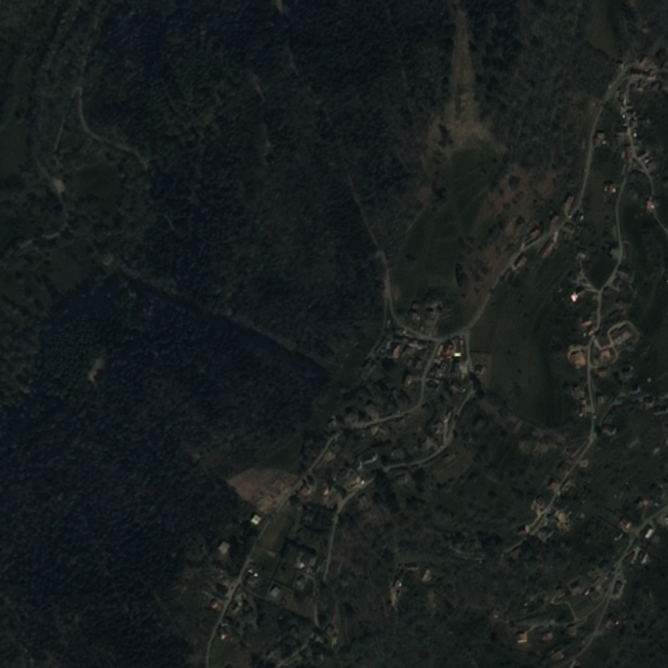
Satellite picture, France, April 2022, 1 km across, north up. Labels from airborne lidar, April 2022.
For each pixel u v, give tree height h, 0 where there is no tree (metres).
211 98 31
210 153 30
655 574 0
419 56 17
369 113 22
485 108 10
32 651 23
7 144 0
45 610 22
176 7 26
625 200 0
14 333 11
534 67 26
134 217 13
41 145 17
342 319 32
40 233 6
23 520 31
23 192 22
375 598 20
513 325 0
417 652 15
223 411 13
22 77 0
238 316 19
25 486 27
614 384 0
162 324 28
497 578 16
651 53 0
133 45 27
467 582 19
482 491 0
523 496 17
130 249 16
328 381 34
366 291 19
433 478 9
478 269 7
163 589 27
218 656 0
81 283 0
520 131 19
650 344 0
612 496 0
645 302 0
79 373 28
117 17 12
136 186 10
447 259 0
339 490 6
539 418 0
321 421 0
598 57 10
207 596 0
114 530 16
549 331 0
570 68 9
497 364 0
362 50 21
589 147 0
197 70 13
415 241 0
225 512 24
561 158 16
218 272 8
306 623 18
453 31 30
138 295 10
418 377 0
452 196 0
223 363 28
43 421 33
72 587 27
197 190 7
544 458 0
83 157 16
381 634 16
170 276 9
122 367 16
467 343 0
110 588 18
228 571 21
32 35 19
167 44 31
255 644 9
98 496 27
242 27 23
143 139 26
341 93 20
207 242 32
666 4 24
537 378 0
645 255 0
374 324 20
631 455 0
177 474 24
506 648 8
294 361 23
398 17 18
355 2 16
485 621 9
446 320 0
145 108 24
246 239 26
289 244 23
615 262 0
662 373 0
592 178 0
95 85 6
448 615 9
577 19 18
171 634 18
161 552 25
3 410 17
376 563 13
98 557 26
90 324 34
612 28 0
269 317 24
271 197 22
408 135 14
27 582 28
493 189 9
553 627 6
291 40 20
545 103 15
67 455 28
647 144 7
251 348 27
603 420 0
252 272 27
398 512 26
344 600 19
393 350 0
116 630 23
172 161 35
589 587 0
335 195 20
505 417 19
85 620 16
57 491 24
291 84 26
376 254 17
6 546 33
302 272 27
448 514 18
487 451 14
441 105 19
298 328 23
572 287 7
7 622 16
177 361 31
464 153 0
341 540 11
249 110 24
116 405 24
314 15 24
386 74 17
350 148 19
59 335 20
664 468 8
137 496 24
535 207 8
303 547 13
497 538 7
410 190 21
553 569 24
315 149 20
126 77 25
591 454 0
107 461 29
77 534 28
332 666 0
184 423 25
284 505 0
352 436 14
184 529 25
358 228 23
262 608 18
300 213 21
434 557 17
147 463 26
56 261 0
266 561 0
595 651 0
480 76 7
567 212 0
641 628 11
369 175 19
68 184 20
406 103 17
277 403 22
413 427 0
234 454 7
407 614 27
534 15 19
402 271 0
